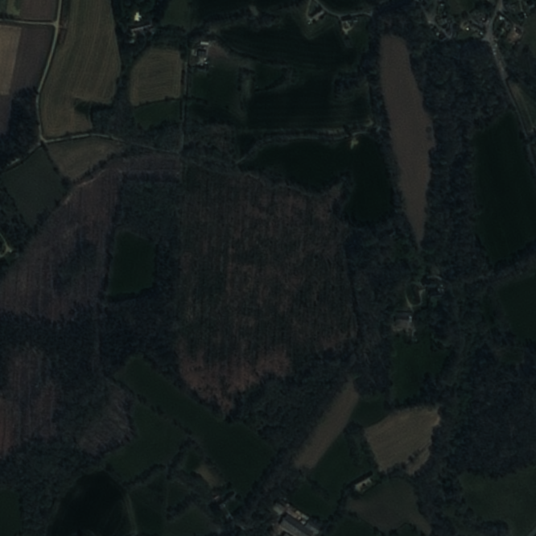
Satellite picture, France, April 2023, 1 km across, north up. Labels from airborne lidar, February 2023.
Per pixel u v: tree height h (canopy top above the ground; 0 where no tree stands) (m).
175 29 11
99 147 0
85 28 0
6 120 0
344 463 0
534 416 13
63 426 19
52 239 0
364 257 22
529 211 0
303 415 16
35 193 0
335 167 0
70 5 0
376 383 22
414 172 0
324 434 0
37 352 17
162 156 19
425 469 14
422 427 0
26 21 0
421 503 21
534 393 19
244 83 10
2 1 0
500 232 0
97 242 0
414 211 0
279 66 12
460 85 19
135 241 0
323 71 0
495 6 13
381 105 21
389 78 0
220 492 8
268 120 0
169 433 0
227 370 0
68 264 13
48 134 0
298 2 11
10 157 18
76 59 0
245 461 0
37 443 16
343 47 0
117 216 18
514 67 17
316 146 0
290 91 0
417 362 0
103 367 14
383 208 0
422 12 12
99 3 0
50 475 11
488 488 0
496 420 21
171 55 0
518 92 0
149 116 0
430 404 22
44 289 0
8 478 16
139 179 15
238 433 0
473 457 23
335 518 12
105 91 0
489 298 17
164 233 15
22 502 13
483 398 21
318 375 15
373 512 0
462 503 12
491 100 20
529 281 0
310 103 0
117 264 0
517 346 7
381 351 21
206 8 0
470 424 18
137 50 13
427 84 30
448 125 32
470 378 10
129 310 23
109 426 0
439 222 22
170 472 13
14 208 9
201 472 0
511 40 0
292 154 0
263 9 0
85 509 0
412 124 0
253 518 16
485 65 19
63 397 13
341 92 14
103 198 0
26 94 13
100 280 0
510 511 0
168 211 11
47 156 12
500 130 0
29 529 8
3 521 0
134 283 0
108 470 15
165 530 0
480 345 8
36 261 0
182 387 22
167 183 17
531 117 0
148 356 15
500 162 0
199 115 0
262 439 14
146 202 15
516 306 0
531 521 0
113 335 13
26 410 0
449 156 27
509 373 18
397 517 0
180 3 0
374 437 0
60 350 18
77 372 19
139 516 0
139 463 0
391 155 23
